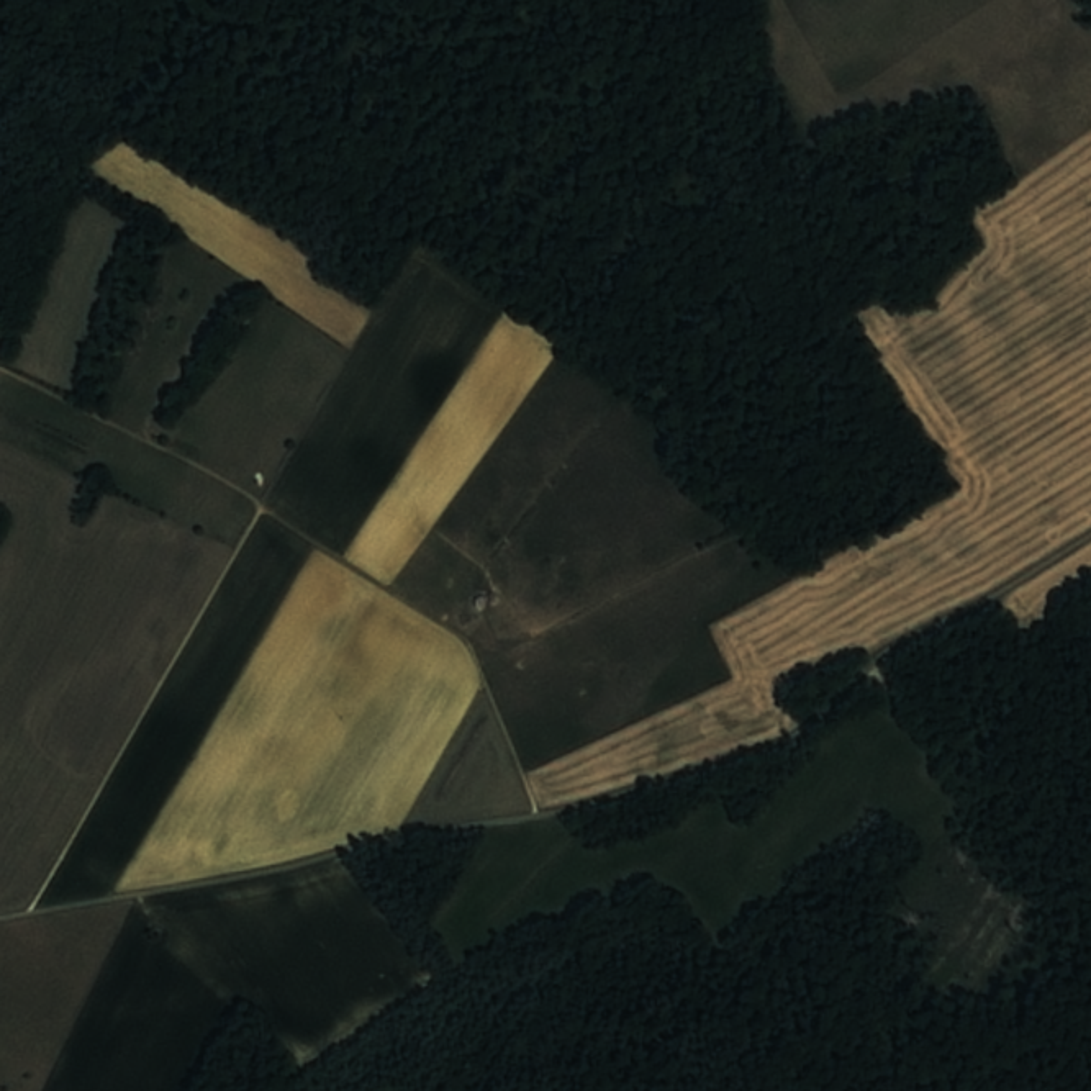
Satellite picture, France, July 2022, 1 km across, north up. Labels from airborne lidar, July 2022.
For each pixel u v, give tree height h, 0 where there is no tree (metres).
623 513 0
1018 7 0
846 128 22
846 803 0
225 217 0
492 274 30
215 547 0
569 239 29
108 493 15
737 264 26
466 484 0
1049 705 27
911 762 0
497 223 21
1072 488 0
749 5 20
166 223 23
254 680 0
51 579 0
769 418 17
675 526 0
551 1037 23
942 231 22
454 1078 15
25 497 0
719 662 0
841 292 25
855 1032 27
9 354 15
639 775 0
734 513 25
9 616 0
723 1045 21
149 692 0
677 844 0
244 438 0
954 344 0
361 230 24
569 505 0
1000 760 28
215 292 0
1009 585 0
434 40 28
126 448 0
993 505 0
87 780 0
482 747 0
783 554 23
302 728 0
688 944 22
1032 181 0
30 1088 0
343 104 11
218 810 0
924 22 0
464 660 0
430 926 16
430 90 17
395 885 18
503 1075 11
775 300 25
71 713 0
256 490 0
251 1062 16
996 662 26
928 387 0
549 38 17
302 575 0
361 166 22
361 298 19
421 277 0
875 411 15
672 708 0
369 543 0
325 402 0
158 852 0
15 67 23
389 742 0
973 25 0
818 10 0
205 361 19
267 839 0
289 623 0
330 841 0
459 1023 20
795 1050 29
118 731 0
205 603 0
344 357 0
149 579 0
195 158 17
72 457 0
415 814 0
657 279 12
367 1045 14
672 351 24
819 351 28
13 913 0
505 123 20
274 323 0
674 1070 23
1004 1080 21
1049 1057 29
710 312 20
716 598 0
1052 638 13
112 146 19
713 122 23
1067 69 0
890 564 0
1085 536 0
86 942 0
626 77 12
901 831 20
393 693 0
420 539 0
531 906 0
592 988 16
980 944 0
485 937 0
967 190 24
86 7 18
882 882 20
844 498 17
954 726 21
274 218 25
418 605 0
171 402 19
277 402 0
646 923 24
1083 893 27
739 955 20
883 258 27
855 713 20
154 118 23
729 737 0
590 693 0
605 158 26
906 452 18
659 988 12
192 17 39
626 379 22
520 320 23
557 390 0
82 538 0
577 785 0
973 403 0
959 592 0
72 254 0
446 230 23
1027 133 0
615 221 23
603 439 0
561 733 0
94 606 0
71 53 18
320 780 0
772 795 13
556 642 0
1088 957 16
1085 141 0
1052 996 31
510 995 13
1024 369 0
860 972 24
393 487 0
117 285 11
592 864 0
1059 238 0
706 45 26
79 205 15
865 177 7
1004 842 10
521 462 0
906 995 29
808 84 0
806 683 26
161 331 0
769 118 23
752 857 0
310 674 0
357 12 15
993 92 0
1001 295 0
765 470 22
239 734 0
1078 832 19
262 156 20
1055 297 0
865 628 0
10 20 19
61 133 24
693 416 26
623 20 17
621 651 0
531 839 0
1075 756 26
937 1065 28
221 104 25
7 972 0
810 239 19
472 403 0
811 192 23
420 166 22
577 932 17
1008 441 0
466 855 19
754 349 17
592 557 0
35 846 0
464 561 0
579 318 26
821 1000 25
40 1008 0
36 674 0
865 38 0
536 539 0
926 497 8
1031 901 17
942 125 9
